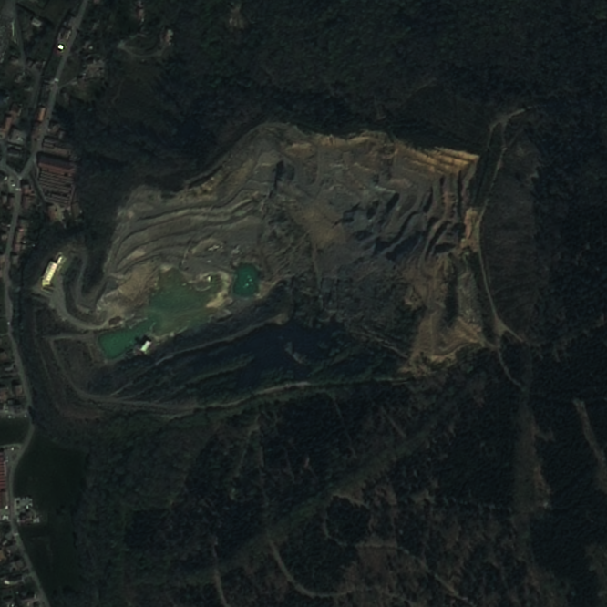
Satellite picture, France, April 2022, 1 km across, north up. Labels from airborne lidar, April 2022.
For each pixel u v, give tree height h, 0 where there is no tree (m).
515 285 0
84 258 0
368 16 29
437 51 25
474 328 0
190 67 25
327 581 13
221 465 14
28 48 18
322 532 11
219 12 16
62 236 15
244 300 0
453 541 18
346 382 8
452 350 0
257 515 11
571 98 0
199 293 0
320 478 6
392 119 15
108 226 13
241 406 8
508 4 32
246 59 19
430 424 20
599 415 27
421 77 19
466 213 0
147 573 21
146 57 0
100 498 22
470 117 0
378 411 14
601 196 25
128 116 0
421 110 0
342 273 0
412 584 14
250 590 13
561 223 16
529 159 0
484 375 19
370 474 19
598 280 32
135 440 20
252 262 0
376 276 0
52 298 0
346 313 0
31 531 0
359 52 28
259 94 29
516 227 0
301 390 10
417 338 0
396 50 30
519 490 15
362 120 6
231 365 6
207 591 8
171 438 29
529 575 15
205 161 29
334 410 15
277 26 28
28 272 23
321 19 29
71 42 0
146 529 16
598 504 23
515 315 0
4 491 0
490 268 0
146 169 20
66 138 18
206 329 0
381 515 15
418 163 0
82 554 20
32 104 0
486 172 7
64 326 0
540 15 27
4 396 0
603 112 26
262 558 16
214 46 15
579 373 20
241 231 0
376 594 14
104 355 0
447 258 0
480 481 13
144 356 0
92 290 0
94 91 0
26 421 0
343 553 12
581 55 24
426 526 15
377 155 0
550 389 19
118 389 0
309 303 0
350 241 0
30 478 0
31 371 14
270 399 9
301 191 0
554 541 23
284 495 7
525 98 18
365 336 0
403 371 0
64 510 9
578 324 28
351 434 10
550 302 21
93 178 33
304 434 16
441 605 11
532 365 22
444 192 0
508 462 17
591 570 24
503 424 15
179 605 13
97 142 26
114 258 0
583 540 27
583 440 26
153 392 5
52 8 0
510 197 0
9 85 0
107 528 25
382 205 0
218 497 6
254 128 0
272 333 0
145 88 0
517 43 28
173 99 27
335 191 0
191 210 0
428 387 18
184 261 0
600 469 17
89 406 9
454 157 0
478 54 27
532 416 15
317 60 27
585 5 26
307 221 0
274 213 0
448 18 31
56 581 0
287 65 20
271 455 6
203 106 34
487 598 16
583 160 24
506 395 15
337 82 11
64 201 0
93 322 0
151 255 0
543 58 20
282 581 16
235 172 0
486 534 12
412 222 0
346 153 0
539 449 22
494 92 22
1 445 0
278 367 10
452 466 10
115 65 18
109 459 19
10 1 0
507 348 13
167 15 14
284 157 0
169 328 0
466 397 13
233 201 0
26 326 20
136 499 28
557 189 15
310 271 0
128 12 0
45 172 0
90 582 21
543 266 20
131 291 0
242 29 0
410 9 33
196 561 9
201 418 17
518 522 22
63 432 20
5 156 0
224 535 14
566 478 23
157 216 0
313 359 9
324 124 8
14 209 7
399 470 18
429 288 0
